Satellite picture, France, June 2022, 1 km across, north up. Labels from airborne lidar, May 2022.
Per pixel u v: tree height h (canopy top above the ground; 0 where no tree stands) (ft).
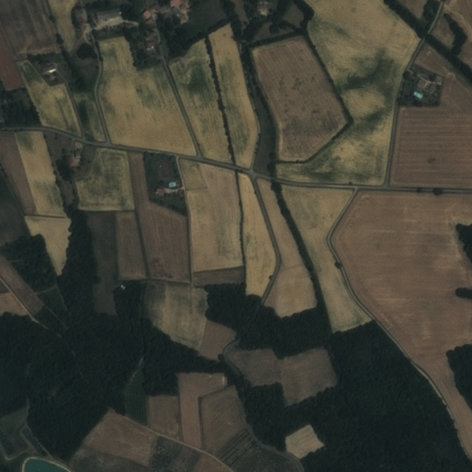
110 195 0
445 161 0
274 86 0
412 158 0
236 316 71
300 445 0
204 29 0
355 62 0
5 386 22
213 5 0
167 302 0
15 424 0
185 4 0
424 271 0
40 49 0
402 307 0
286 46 0
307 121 0
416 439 44
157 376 56
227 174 0
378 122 0
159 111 0
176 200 0
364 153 0
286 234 0
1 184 0
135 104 0
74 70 26
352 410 29
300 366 0
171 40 82
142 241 0
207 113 0
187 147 0
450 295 0
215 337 0
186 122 0
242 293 48
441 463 20
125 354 56
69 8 0
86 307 58
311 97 0
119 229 0
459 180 0
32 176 0
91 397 35
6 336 42
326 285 0
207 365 48
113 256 0
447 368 0
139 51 28
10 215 0
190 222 0
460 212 0
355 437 41
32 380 40
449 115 0
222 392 0
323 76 0
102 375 53
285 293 0
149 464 0
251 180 0
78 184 0
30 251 35
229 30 0
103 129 0
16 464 0
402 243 0
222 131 0
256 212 0
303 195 0
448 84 0
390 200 0
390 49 0
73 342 40
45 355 57
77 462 0
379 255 0
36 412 49
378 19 0
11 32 0
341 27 0
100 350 51
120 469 0
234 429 0
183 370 46
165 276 0
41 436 38
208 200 0
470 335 0
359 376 53
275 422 38
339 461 45
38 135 0
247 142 0
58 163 34
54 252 0
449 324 0
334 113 0
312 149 0
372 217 0
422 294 0
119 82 0
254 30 65
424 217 0
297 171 0
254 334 46
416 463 55
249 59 31
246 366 0
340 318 0
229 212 0
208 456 0
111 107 0
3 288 0
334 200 0
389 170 0
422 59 0
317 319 57
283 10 57
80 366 49
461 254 0
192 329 0
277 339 49
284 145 0
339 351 49
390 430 31
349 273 0
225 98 0
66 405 48
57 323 19
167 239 0
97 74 0
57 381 50
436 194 32
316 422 52
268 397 39
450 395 0
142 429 0
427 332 0
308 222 0
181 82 0
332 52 0
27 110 36
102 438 0
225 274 0
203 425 0
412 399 43
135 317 63
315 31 0
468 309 0
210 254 0
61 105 0
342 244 0
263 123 0
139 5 0
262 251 0
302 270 0
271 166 48
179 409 0
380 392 35
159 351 53
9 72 0
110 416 0
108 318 38
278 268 0
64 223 0
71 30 0
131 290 50
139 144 0
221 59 0
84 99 0
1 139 0
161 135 0
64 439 50
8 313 44
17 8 0
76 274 38
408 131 0
